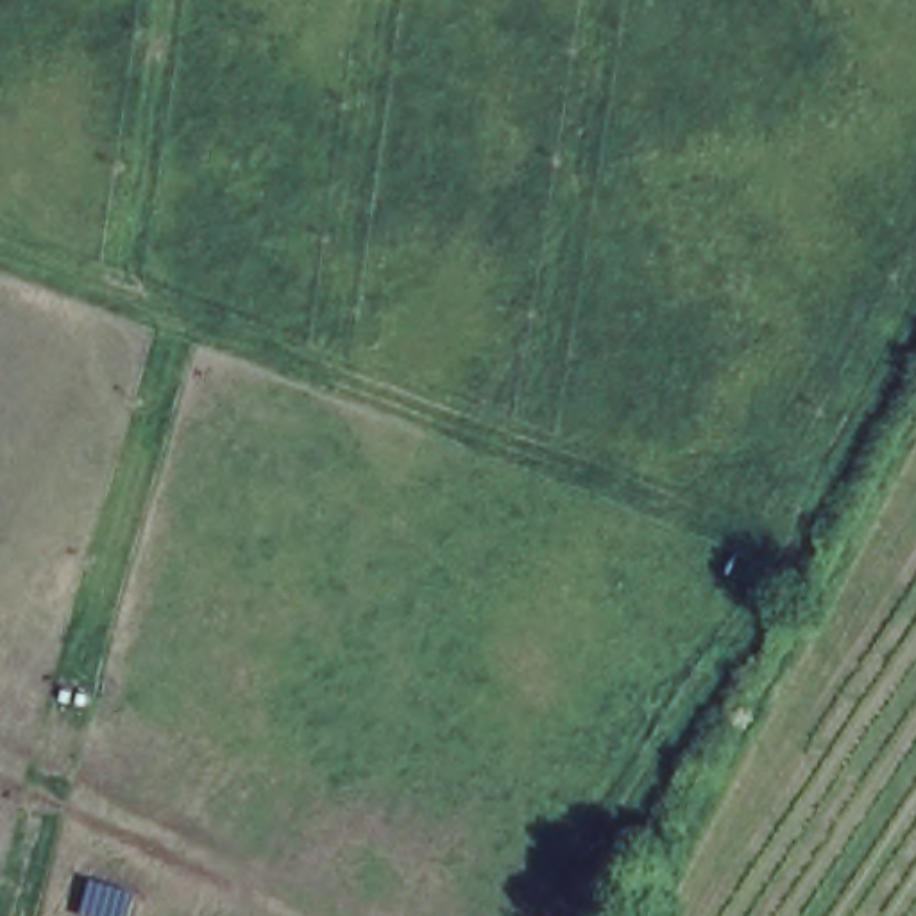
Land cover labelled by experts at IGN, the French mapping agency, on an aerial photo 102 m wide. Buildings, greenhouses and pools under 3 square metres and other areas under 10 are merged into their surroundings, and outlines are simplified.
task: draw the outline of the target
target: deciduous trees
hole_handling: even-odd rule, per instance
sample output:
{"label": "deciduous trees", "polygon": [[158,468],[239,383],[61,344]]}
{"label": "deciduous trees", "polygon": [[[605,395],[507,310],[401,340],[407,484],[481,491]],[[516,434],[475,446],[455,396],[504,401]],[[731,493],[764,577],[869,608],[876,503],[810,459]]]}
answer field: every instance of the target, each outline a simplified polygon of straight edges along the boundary
{"label": "deciduous trees", "polygon": [[594,916],[687,916],[683,887],[698,862],[694,855],[683,844],[673,844],[673,837],[662,830],[666,819],[619,837],[612,866],[590,887],[598,905]]}
{"label": "deciduous trees", "polygon": [[823,580],[809,573],[809,565],[776,569],[751,587],[751,598],[762,608],[766,633],[773,626],[805,630],[816,626],[823,587]]}

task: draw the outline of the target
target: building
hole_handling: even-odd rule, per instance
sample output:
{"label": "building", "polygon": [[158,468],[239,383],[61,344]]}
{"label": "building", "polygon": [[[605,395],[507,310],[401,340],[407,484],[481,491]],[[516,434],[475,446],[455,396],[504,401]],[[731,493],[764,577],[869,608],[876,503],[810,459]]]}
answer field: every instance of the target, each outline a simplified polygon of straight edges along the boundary
{"label": "building", "polygon": [[79,916],[125,916],[125,891],[89,884]]}

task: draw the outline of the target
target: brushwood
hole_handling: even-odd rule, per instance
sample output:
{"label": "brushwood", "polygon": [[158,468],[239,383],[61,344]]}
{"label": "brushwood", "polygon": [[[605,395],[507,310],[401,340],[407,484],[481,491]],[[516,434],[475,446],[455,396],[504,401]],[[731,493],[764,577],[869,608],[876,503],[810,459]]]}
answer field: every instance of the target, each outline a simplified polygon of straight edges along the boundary
{"label": "brushwood", "polygon": [[898,476],[916,447],[916,354],[909,358],[905,386],[895,397],[880,433],[869,444],[862,472],[852,483],[848,508],[837,515],[827,540],[812,547],[809,565],[809,573],[823,580],[823,587],[841,594],[873,519],[898,487]]}
{"label": "brushwood", "polygon": [[683,844],[694,855],[708,827],[708,816],[719,809],[719,802],[726,802],[730,787],[737,784],[748,762],[748,748],[759,748],[762,741],[773,691],[780,683],[791,683],[802,655],[809,651],[805,630],[773,626],[766,633],[759,662],[741,673],[726,705],[708,719],[701,741],[676,766],[673,787],[666,794],[666,819],[662,830],[673,837],[673,844]]}

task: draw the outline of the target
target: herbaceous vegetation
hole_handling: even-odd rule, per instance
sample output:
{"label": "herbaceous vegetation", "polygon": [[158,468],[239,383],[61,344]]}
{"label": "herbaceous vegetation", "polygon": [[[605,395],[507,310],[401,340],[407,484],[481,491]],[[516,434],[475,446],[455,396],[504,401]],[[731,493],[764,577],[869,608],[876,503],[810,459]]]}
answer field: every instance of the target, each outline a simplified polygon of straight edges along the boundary
{"label": "herbaceous vegetation", "polygon": [[809,651],[802,655],[791,683],[780,683],[773,691],[762,741],[759,748],[748,748],[748,762],[737,784],[730,787],[726,802],[719,802],[719,809],[708,816],[708,827],[694,855],[698,862],[683,887],[687,916],[712,916],[716,905],[730,895],[741,862],[762,844],[773,819],[784,812],[784,798],[776,798],[776,791],[791,776],[791,766],[805,755],[812,766],[816,755],[802,751],[798,744],[819,716],[819,705],[830,701],[834,683],[848,673],[841,658],[859,640],[866,615],[877,612],[877,601],[895,605],[895,598],[905,590],[898,583],[898,569],[909,547],[916,544],[916,447],[898,476],[898,487],[873,519],[841,594],[823,587],[816,626],[805,630]]}
{"label": "herbaceous vegetation", "polygon": [[[32,286],[107,311],[97,326],[82,329],[64,326],[47,311],[7,301],[0,293],[0,573],[18,558],[39,569],[39,562],[25,547],[25,540],[39,533],[61,537],[64,555],[75,558],[75,565],[82,569],[61,658],[43,691],[25,784],[43,787],[54,798],[68,798],[75,787],[72,780],[82,766],[86,726],[93,723],[93,716],[100,723],[111,723],[132,712],[143,723],[143,734],[129,744],[129,755],[140,759],[132,787],[175,809],[179,816],[208,823],[218,837],[225,837],[215,855],[233,862],[247,862],[250,855],[265,859],[265,895],[283,898],[286,905],[308,916],[594,916],[598,905],[590,887],[612,866],[619,837],[666,819],[666,794],[673,787],[676,766],[701,741],[708,719],[726,705],[741,673],[759,662],[766,633],[762,608],[751,598],[751,587],[776,569],[809,565],[812,547],[827,540],[837,515],[848,508],[852,483],[862,472],[869,444],[880,433],[895,397],[905,386],[909,358],[916,354],[916,0],[0,0],[0,272],[7,279],[25,279]],[[111,680],[104,669],[111,651],[115,612],[125,590],[129,558],[147,515],[147,501],[168,512],[168,522],[154,537],[154,565],[161,569],[161,576],[150,587],[150,605],[140,608],[140,626],[132,648],[125,651],[122,683]]]}
{"label": "herbaceous vegetation", "polygon": [[7,859],[0,862],[0,916],[39,916],[47,909],[47,887],[54,877],[57,837],[64,823],[57,816],[39,819],[32,866],[11,866]]}

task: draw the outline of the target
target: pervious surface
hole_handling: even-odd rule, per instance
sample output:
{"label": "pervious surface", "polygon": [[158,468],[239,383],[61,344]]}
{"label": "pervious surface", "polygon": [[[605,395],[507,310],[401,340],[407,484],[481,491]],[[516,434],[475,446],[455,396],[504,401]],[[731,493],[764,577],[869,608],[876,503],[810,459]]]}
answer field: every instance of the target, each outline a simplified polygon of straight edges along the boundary
{"label": "pervious surface", "polygon": [[57,837],[54,877],[47,887],[47,909],[39,916],[79,916],[89,884],[125,891],[125,916],[308,916],[286,905],[283,898],[265,895],[265,859],[250,855],[247,862],[233,862],[215,855],[225,837],[218,837],[208,823],[179,816],[175,809],[132,787],[140,759],[129,755],[129,744],[143,734],[143,723],[132,712],[111,723],[100,723],[93,716],[93,723],[86,726],[82,766],[72,780],[75,787],[68,798],[54,798],[43,787],[25,784],[43,691],[61,658],[82,569],[75,565],[75,558],[64,555],[61,537],[39,533],[25,540],[25,547],[39,562],[39,569],[18,558],[0,573],[0,862],[7,859],[11,866],[32,866],[39,819],[57,816],[64,823]]}
{"label": "pervious surface", "polygon": [[150,587],[161,576],[161,569],[154,565],[154,537],[168,522],[168,512],[147,501],[147,515],[129,558],[125,590],[115,612],[111,651],[104,669],[111,680],[122,683],[125,651],[132,648],[140,626],[140,608],[150,605]]}
{"label": "pervious surface", "polygon": [[82,329],[97,326],[107,311],[32,286],[25,279],[7,279],[0,272],[0,293],[7,301],[47,311],[64,326]]}

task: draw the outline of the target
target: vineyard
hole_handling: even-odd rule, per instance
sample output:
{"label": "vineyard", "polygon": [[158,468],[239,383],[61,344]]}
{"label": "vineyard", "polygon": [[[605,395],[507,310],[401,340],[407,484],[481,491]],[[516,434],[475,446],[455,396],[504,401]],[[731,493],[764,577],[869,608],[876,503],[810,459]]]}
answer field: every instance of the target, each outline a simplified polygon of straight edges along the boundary
{"label": "vineyard", "polygon": [[909,547],[898,569],[898,583],[905,590],[895,598],[895,605],[877,601],[877,612],[866,615],[859,640],[841,658],[848,673],[834,683],[830,701],[819,705],[819,716],[798,744],[802,751],[816,755],[812,766],[805,755],[791,766],[791,776],[776,791],[776,798],[784,798],[784,812],[773,819],[762,844],[741,862],[730,895],[716,905],[712,916],[916,916],[916,544]]}

